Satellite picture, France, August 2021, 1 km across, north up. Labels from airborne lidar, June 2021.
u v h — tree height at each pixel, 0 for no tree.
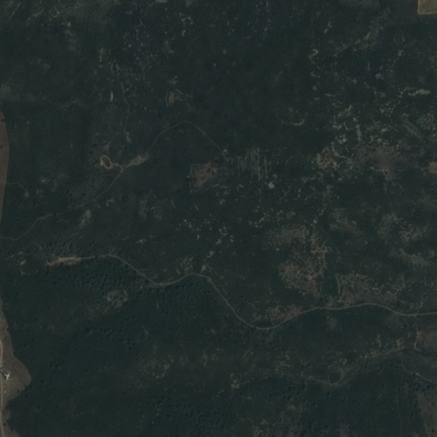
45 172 0
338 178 0
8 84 0
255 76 0
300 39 0
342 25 0
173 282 0
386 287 0
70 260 0
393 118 0
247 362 0
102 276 8
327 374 0
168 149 0
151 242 0
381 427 0
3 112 0
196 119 0
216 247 0
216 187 0
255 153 0
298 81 0
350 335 0
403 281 0
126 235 0
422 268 0
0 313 0
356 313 0
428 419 0
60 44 0
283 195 0
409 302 0
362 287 0
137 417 0
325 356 0
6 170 0
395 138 0
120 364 0
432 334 0
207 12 0
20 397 0
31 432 0
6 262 0
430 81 0
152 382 0
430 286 0
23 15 0
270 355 0
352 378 0
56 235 0
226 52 0
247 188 0
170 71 0
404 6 0
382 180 0
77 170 0
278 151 0
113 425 0
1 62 0
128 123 0
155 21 0
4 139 0
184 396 0
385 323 0
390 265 0
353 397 0
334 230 0
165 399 11
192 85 0
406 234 0
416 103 0
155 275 0
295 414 0
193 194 0
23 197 0
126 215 0
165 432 0
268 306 0
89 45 0
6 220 0
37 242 0
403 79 0
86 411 0
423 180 0
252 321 0
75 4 0
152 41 0
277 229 0
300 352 0
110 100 0
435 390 7
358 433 0
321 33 0
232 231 0
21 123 0
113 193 0
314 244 0
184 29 0
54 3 0
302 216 0
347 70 0
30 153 0
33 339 7
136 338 0
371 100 0
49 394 0
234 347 0
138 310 0
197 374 0
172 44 0
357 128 0
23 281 0
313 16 0
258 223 0
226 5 0
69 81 0
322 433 10
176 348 0
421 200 0
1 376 0
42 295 0
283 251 0
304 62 0
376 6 0
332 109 0
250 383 0
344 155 0
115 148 0
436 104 0
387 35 0
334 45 0
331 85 0
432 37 0
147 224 0
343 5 0
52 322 0
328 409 0
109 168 0
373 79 0
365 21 0
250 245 0
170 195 0
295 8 0
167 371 0
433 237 0
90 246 7
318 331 0
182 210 0
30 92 0
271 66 0
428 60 0
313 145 0
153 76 0
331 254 0
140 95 0
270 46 0
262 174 0
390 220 0
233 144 0
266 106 0
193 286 7
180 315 0
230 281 0
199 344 0
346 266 0
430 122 0
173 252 0
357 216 0
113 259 0
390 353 0
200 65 0
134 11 0
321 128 0
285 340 0
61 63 0
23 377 0
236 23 0
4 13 0
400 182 0
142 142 0
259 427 0
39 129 0
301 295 0
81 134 0
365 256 0
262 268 0
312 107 0
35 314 0
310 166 0
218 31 0
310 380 0
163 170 0
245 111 0
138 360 7
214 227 0
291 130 0
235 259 0
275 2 0
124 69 0
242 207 0
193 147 0
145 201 0
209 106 0
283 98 0
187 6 0
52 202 0
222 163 0
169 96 0
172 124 0
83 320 0
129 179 0
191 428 0
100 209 0
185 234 0
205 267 0
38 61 0
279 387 0
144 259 0
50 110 0
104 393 0
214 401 0
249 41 0
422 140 0
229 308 0
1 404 0
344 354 0
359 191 0
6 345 0
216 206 0
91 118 0
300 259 0
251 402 0
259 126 0
